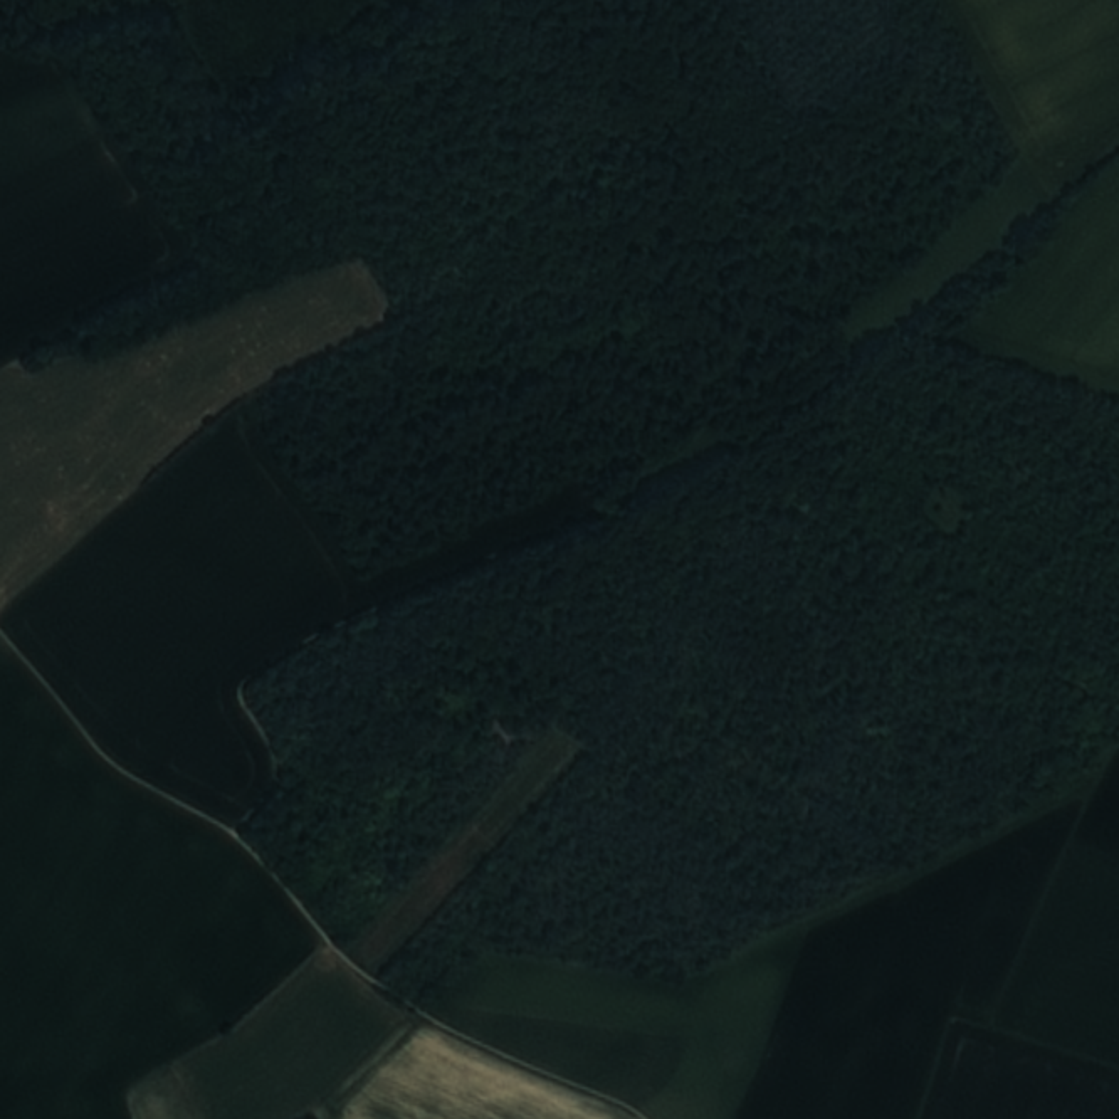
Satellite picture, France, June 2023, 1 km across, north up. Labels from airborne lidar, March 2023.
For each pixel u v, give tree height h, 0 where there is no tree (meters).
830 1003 0
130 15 32
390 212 12
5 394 0
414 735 18
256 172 29
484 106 21
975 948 0
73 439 0
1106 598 13
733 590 19
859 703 17
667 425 21
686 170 26
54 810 0
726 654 16
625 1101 0
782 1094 0
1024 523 10
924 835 13
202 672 0
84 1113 0
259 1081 0
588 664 15
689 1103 0
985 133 8
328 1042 0
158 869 0
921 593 6
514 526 0
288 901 0
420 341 22
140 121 23
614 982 0
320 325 0
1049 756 20
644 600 17
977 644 12
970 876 0
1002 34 0
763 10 16
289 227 24
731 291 22
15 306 0
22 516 0
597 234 17
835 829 13
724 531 16
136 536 0
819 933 0
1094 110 0
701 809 6
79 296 0
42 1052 0
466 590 16
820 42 16
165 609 0
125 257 0
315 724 14
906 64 17
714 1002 0
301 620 0
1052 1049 0
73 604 0
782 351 20
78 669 0
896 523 9
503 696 17
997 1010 0
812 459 23
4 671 0
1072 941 0
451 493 23
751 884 16
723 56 18
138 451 0
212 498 0
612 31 29
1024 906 0
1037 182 0
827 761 16
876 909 0
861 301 9
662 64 26
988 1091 0
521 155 20
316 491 8
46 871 0
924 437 13
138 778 0
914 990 0
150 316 20
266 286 13
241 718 0
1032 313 0
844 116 17
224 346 0
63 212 0
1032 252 14
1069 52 0
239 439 0
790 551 15
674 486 23
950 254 0
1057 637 10
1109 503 15
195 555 0
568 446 19
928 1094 0
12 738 0
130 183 0
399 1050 0
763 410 18
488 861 12
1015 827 0
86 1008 0
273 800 15
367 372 18
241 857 0
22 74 0
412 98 15
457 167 22
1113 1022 0
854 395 13
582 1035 0
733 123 14
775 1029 0
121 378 0
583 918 12
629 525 20
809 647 16
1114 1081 0
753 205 22
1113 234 0
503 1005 0
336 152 27
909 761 21
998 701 9
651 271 17
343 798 15
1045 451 6
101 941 0
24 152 0
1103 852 0
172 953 0
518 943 7
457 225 16
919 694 17
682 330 25
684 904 16
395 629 17
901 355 17
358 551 17
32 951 0
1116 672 19
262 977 0
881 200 7
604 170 18
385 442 28
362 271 0
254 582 0
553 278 18
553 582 23
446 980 10
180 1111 0
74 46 24
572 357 28
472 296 19
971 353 17
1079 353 0
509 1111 0
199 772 0
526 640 16
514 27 20
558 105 22
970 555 8
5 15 17
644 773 15
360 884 9
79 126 0
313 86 32
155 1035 0
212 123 29
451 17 24
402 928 0
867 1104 0
